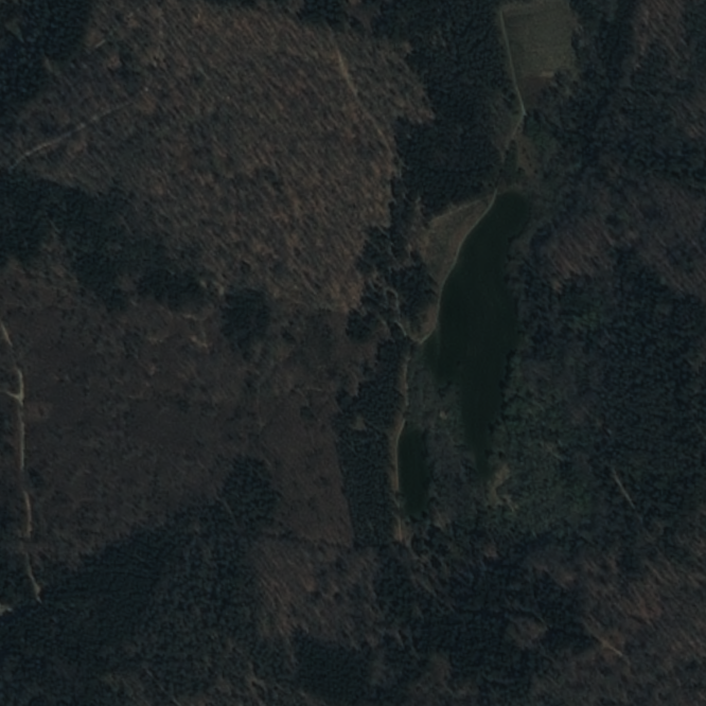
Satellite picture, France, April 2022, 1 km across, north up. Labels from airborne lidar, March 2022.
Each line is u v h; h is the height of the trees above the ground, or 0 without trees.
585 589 28
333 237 24
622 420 28
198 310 14
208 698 15
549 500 6
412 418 13
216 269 23
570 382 24
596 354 26
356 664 29
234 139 26
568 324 18
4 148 21
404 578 28
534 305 26
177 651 24
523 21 0
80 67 23
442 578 30
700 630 30
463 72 24
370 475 27
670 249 25
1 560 26
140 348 14
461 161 26
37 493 18
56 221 22
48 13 28
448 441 23
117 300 17
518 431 18
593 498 21
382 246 23
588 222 28
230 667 18
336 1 29
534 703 18
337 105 24
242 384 17
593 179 27
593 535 21
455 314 0
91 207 17
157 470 8
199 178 25
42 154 18
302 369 14
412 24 15
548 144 24
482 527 23
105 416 6
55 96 27
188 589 24
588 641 20
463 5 30
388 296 22
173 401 6
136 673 23
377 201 22
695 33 18
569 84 27
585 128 7
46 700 17
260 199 27
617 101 27
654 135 25
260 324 14
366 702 24
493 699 25
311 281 24
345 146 29
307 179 25
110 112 26
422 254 21
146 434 12
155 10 25
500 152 20
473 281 0
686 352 10
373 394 22
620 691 26
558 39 0
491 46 34
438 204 28
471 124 27
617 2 27
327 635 26
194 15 20
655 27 18
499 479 0
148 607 16
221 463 16
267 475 7
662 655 27
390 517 25
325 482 14
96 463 11
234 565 13
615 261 19
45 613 27
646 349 10
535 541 11
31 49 13
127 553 15
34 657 26
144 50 23
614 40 22
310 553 24
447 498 22
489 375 0
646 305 27
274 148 23
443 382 0
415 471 0
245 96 24
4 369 23
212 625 28
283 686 25
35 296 0
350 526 14
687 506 25
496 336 0
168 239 21
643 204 38
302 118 25
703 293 25
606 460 30
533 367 29
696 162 23
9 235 12
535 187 11
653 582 26
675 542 23
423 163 27
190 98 27
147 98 27
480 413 0
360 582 25
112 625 14
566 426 18
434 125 30
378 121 24
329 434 20
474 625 19
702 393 24
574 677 26
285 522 11
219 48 25
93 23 22
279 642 23
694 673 30
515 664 18
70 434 9
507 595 20
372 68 26
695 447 17
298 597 27
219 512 15
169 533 11
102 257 14
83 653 26
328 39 23
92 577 16
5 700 39
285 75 26
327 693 29
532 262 6
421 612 18
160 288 16
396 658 26
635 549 26
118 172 22
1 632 25
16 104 24
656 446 25
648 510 22
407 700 19
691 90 15
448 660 12
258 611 22
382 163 28
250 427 9
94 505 8
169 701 22
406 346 23
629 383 29
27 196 17
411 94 27
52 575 12
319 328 9
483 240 0
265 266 23
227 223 24
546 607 14
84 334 7
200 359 20
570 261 24
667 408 25
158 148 27
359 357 13
